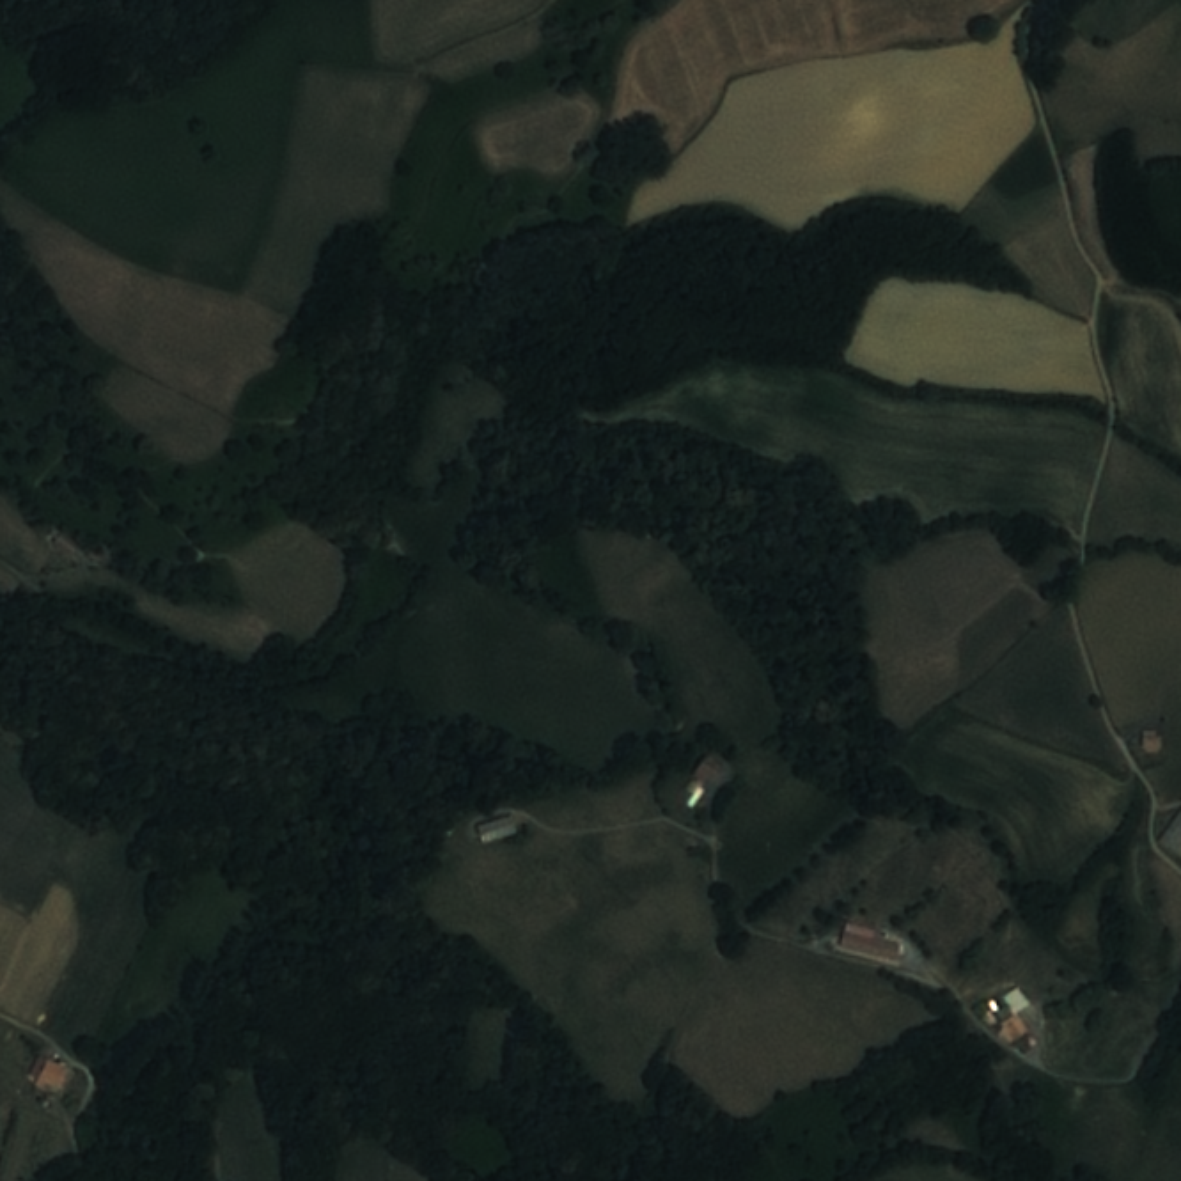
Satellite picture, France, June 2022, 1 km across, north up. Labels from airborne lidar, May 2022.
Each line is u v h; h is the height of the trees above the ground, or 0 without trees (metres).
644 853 0
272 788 26
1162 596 0
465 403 0
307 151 0
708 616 0
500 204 13
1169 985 0
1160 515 0
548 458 25
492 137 0
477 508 10
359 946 28
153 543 0
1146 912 0
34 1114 0
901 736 25
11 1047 0
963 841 0
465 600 0
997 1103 22
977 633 0
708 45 0
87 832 12
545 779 22
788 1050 0
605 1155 17
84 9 22
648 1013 0
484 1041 0
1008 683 0
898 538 26
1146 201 7
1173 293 8
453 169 0
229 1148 0
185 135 0
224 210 0
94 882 0
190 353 0
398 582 0
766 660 13
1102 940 7
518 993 12
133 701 26
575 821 0
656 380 12
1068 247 0
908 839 0
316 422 14
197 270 0
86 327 0
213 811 20
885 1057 14
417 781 25
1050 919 13
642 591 0
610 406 10
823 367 11
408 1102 19
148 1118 19
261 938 14
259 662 15
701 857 6
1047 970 0
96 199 0
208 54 18
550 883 0
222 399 0
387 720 14
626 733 0
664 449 25
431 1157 21
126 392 0
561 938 0
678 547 21
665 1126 19
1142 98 0
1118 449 0
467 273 11
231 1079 15
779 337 10
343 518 20
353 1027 16
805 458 8
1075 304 0
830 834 0
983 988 0
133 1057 33
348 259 20
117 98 10
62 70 23
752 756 0
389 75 0
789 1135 0
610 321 19
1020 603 0
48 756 18
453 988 23
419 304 9
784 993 0
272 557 0
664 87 0
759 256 22
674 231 15
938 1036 17
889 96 0
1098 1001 12
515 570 16
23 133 15
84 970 0
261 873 19
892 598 0
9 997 0
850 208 7
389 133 0
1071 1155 0
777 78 0
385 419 16
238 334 0
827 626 21
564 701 0
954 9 0
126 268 0
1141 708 0
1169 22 0
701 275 18
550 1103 13
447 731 11
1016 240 0
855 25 0
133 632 14
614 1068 0
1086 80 0
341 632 12
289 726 27
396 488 13
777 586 33
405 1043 19
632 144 27
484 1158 0
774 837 0
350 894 34
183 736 25
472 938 9
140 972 0
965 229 7
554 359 23
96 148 0
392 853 26
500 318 25
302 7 0
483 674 0
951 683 0
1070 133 0
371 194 0
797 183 0
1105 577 0
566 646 0
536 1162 20
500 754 14
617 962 0
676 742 10
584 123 0
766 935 0
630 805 0
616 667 0
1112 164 9
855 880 0
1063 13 22
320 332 19
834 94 0
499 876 0
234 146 0
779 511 26
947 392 6
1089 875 9
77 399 15
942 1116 13
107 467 12
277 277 0
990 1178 11
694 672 0
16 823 0
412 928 22
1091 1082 0
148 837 15
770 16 0
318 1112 24
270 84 0
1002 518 12
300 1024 22
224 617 0
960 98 0
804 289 22
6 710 18
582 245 32
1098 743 0
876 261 13
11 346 14
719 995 0
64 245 0
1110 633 0
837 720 11
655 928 0
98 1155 19
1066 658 0
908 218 16
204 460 0
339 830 17
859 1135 16
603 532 10
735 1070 0
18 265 17
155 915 15
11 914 0
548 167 0
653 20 9
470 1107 11
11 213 0
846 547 20
